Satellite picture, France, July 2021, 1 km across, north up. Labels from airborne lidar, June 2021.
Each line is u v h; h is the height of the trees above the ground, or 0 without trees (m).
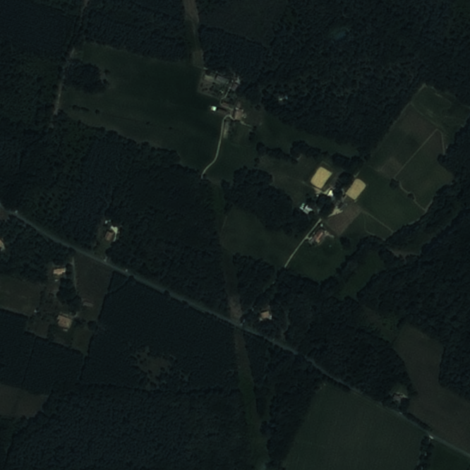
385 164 0
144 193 16
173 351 16
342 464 0
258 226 0
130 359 14
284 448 19
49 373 16
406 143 0
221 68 14
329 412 0
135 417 22
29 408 0
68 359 15
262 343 16
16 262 21
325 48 14
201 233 15
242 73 18
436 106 0
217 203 0
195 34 0
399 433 0
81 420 24
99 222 17
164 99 0
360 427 0
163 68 0
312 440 0
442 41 16
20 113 12
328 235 0
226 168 0
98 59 0
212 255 26
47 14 10
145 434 25
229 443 23
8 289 0
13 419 6
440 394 0
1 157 21
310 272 0
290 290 22
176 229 14
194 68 0
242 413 20
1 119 17
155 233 20
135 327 17
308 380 22
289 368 26
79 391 16
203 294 19
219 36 13
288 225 23
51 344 16
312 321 17
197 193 18
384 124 21
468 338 15
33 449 25
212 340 17
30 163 23
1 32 8
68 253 13
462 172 23
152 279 12
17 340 17
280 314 24
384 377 17
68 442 27
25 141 19
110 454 24
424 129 0
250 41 11
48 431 26
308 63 14
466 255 21
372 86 21
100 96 0
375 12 22
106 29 20
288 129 0
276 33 17
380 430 0
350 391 11
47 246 22
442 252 25
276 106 21
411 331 0
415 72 11
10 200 19
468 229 22
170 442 25
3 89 9
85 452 26
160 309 17
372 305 15
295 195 0
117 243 11
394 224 0
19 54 7
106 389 24
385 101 14
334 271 0
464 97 21
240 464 22
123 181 12
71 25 9
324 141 0
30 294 0
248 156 0
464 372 13
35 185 25
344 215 0
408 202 0
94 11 18
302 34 15
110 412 23
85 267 0
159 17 22
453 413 0
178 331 18
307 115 21
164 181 12
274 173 0
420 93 0
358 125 18
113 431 25
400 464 0
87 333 0
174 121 0
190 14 0
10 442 6
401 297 22
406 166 0
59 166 19
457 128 0
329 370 18
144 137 0
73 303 23
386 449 0
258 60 15
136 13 21
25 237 15
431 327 22
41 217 13
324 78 19
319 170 0
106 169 18
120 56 0
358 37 19
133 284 17
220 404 23
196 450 18
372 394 17
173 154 14
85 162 18
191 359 15
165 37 21
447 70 21
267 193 23
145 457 24
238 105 0
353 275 7
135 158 15
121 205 8
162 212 14
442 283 27
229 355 18
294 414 23
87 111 11
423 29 11
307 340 24
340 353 20
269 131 0
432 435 0
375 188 0
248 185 23
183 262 21
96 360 16
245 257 9
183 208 16
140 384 19
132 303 17
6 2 8
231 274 0
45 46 10
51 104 7
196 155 0
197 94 0
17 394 0
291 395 27
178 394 19
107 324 16
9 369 15
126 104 0
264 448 0
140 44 21
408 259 10
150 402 19
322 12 11
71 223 17
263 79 19
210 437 22
